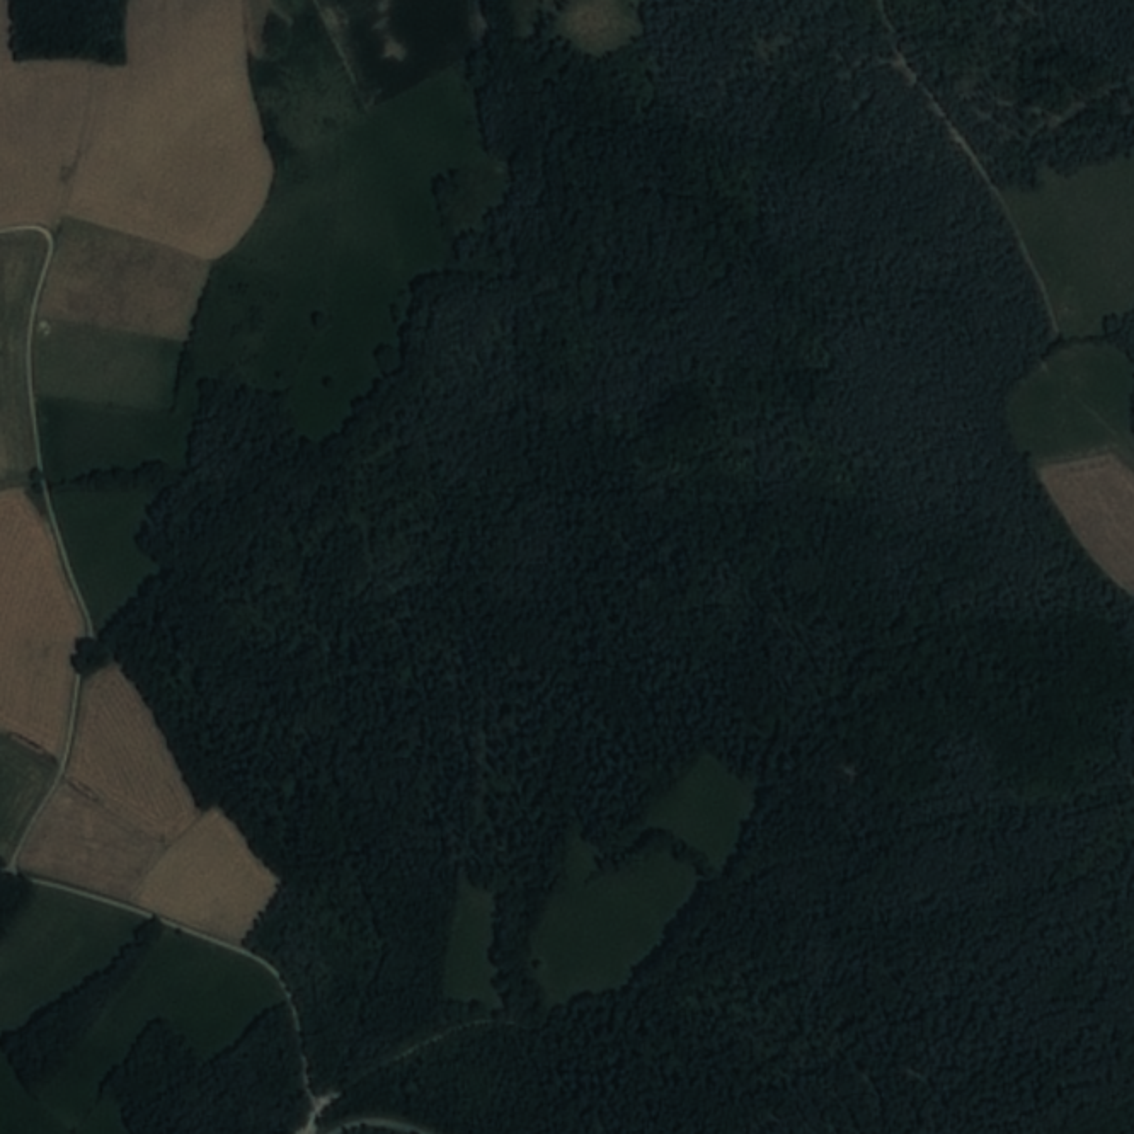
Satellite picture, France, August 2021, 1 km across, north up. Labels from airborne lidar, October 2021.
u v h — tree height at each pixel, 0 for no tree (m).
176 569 19
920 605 14
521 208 16
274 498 19
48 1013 15
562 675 24
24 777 0
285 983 8
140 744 0
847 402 10
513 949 25
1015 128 17
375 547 12
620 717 13
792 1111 16
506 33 22
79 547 0
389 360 16
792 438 11
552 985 0
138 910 0
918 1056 18
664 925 0
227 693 23
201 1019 0
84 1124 0
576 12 0
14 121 0
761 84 10
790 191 12
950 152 6
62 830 0
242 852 0
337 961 8
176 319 0
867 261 14
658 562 14
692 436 11
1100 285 0
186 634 23
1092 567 6
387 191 0
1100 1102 11
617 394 8
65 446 0
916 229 10
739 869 19
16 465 0
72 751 0
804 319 12
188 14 0
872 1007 6
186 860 0
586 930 0
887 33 10
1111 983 19
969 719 8
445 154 0
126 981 12
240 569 15
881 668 12
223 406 18
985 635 13
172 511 20
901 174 12
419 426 15
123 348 0
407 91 0
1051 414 0
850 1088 14
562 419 8
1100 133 13
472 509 15
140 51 0
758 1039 15
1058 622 8
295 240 0
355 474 6
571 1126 15
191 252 0
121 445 0
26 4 11
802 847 16
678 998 20
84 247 0
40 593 0
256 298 0
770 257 15
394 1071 8
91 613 0
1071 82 9
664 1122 24
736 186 7
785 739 11
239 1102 14
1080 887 18
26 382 0
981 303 12
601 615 23
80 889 0
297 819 16
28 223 0
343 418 0
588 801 9
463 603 23
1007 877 18
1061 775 6
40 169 0
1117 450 0
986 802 9
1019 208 0
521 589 13
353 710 27
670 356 12
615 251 13
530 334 15
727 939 19
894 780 9
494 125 19
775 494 15
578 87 14
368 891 17
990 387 13
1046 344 9
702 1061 16
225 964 0
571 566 23
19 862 0
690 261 12
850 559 17
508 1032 9
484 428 11
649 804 12
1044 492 11
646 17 14
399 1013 18
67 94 0
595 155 16
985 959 19
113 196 0
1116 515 0
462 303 17
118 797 0
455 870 17
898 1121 16
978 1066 20
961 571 15
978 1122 17
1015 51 7
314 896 12
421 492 7
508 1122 12
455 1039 7
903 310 13
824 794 17
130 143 0
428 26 0
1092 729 10
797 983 12
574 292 16
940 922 18
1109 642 8
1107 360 0
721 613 13
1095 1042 21
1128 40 15
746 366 7
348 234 0
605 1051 13
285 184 0
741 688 14
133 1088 12
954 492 13
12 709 0
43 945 0
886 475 10
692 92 12
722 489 11
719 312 16
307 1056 10
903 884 13
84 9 11
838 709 17
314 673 19
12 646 0
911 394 10
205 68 0
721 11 9
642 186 15
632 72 9
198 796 16
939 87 12
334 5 0
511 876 14
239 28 0
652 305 6
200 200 0
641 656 13
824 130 13
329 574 12
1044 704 18
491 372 12
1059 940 18
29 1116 0
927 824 13
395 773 14
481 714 25
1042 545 10
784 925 18
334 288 0
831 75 8
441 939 13
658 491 18
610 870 17
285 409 19
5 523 0
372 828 16
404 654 13
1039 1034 20
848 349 6
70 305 0
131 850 0
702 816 0
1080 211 0
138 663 16
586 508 25
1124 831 9
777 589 10
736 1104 25
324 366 0
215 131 0
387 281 0
